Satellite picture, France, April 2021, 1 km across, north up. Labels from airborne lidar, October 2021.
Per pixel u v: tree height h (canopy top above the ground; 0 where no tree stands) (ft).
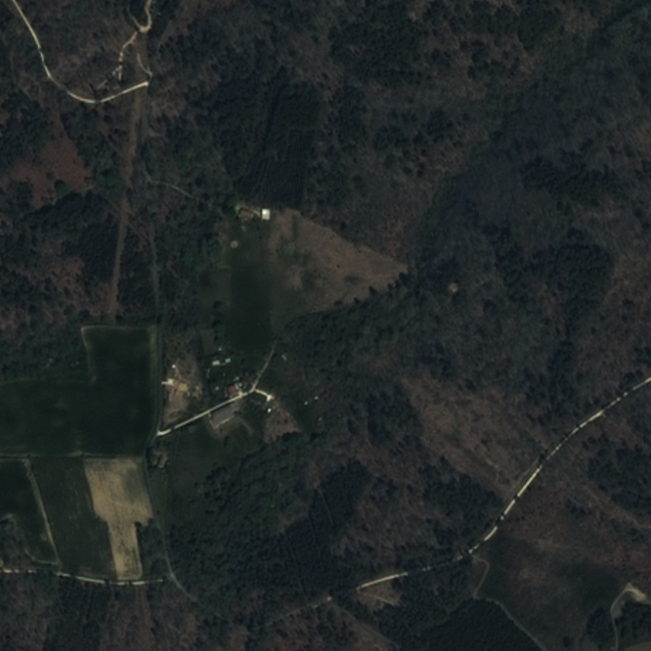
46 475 0
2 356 49
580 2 88
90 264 37
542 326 58
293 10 84
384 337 69
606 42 55
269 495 48
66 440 0
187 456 0
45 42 21
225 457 0
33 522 0
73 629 34
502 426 0
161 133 40
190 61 62
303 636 35
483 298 68
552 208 37
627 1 54
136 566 0
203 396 23
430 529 46
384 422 95
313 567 42
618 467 38
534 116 64
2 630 28
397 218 24
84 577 0
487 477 0
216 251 64
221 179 32
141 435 0
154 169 60
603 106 65
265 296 0
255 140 27
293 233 0
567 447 52
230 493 47
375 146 39
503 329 70
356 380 31
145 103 0
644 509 73
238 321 0
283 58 38
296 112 68
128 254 26
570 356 53
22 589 44
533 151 35
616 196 59
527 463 0
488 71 89
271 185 33
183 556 40
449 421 0
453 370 77
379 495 59
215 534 39
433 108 46
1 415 0
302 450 70
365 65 56
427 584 74
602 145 41
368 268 0
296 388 22
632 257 50
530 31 89
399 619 63
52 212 72
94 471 0
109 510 0
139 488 0
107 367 0
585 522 27
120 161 72
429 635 32
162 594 36
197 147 60
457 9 38
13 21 52
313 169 29
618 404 35
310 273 0
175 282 28
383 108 40
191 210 29
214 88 36
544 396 44
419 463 24
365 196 58
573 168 43
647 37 68
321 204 32
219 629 47
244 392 24
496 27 84
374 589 0
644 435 60
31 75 56
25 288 76
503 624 33
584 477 44
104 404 0
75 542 0
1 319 25
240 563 25
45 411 0
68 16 51
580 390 28
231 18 50
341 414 26
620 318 50
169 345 17
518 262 77
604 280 77
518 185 47
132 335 0
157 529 51
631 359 26
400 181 62
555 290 43
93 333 0
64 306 51
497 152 55
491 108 72
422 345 48
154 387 0
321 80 42
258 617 34
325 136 60
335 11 44
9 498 0
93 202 62
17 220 73
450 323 86
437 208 47
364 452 52
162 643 43
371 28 51
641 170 36
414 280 61
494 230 42
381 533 62
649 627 49
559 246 36
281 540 22
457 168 42
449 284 79
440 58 73
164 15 55
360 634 0
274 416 0
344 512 56
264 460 51
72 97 28
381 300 34
